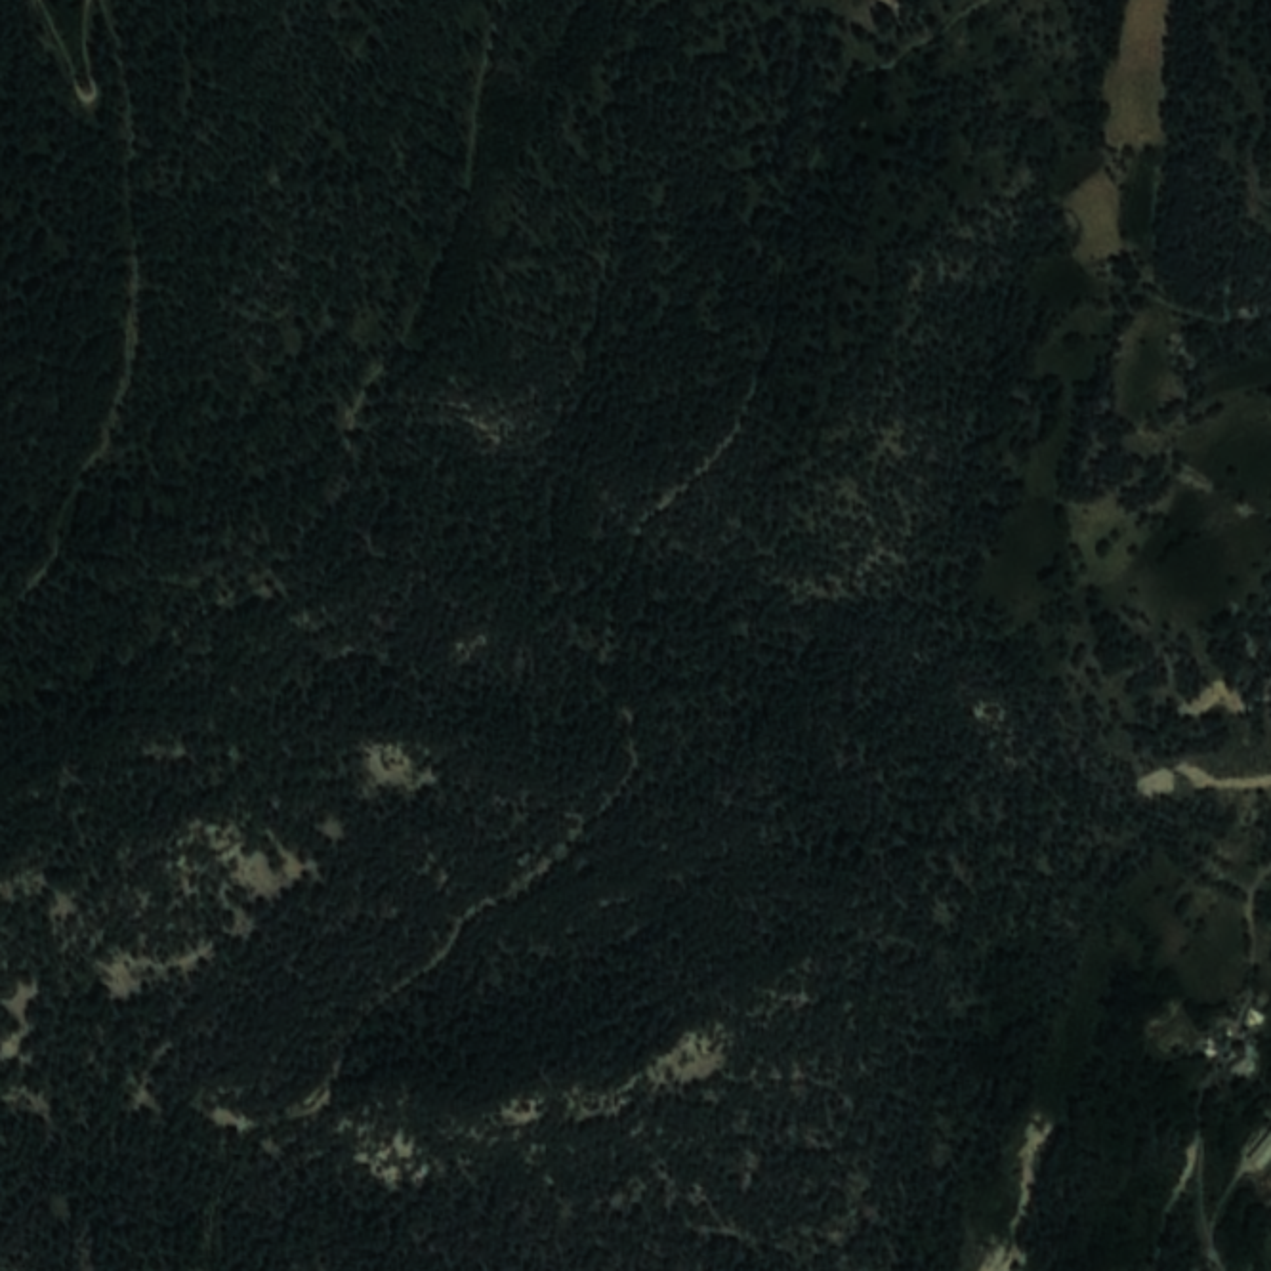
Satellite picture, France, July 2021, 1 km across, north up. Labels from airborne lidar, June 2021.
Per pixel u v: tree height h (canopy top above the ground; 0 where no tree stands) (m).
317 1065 9
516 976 8
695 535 11
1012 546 0
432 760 9
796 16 19
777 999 6
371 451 21
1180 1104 13
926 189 9
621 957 22
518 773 10
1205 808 7
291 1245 10
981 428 16
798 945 15
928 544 8
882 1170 12
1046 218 10
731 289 16
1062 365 0
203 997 15
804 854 18
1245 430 0
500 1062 14
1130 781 6
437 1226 15
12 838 21
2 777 24
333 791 16
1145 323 0
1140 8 0
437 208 20
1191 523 0
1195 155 9
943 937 18
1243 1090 12
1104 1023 8
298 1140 10
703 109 12
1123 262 12
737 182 15
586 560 7
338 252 12
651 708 10
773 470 15
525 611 16
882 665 15
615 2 8
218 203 20
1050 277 0
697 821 11
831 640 7
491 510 17
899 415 8
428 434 8
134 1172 16
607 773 11
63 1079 18
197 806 12
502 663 12
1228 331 8
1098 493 10
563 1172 8
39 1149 19
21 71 22
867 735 16
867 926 12
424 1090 9
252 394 17
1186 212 10
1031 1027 16
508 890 7
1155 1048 0
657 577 10
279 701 10
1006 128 11
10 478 18
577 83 13
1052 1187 16
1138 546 7
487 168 7
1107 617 10
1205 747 9
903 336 7
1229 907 0
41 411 17
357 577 16
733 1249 17
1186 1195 8
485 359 13
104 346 18
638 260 17
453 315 11
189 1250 11
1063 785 15
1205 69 6
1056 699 12
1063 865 13
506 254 16
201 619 17
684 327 15
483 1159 11
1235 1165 7
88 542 8
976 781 10
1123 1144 10
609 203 15
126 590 17
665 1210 13
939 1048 16
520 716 17
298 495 19
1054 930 9
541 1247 14
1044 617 8
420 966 10
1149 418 7
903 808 22
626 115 17
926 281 8
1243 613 8
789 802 16
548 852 11
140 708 20
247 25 19
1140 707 10
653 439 16
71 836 20
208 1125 20
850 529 10
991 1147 22
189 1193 13
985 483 16
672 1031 9
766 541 9
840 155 20
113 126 20
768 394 12
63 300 13
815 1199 15
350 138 18
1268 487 0
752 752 15
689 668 12
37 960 17
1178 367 6
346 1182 14
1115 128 0
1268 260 9
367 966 11
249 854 9
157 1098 20
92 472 9
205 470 20
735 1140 15
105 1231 19
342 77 25
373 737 9
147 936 7
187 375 18
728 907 14
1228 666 11
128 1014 12
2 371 15
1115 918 6
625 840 14
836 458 12
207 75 17
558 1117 8
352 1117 8
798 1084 6
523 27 20
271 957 8
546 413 11
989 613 14
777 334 8
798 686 16
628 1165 6
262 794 17
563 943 14
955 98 15
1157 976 7
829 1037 9
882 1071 12
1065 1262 16
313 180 21
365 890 15
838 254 13
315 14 19
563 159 18
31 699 0
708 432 9
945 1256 6
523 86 8
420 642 15
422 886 10
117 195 19
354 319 19
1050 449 0
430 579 11
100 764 14
